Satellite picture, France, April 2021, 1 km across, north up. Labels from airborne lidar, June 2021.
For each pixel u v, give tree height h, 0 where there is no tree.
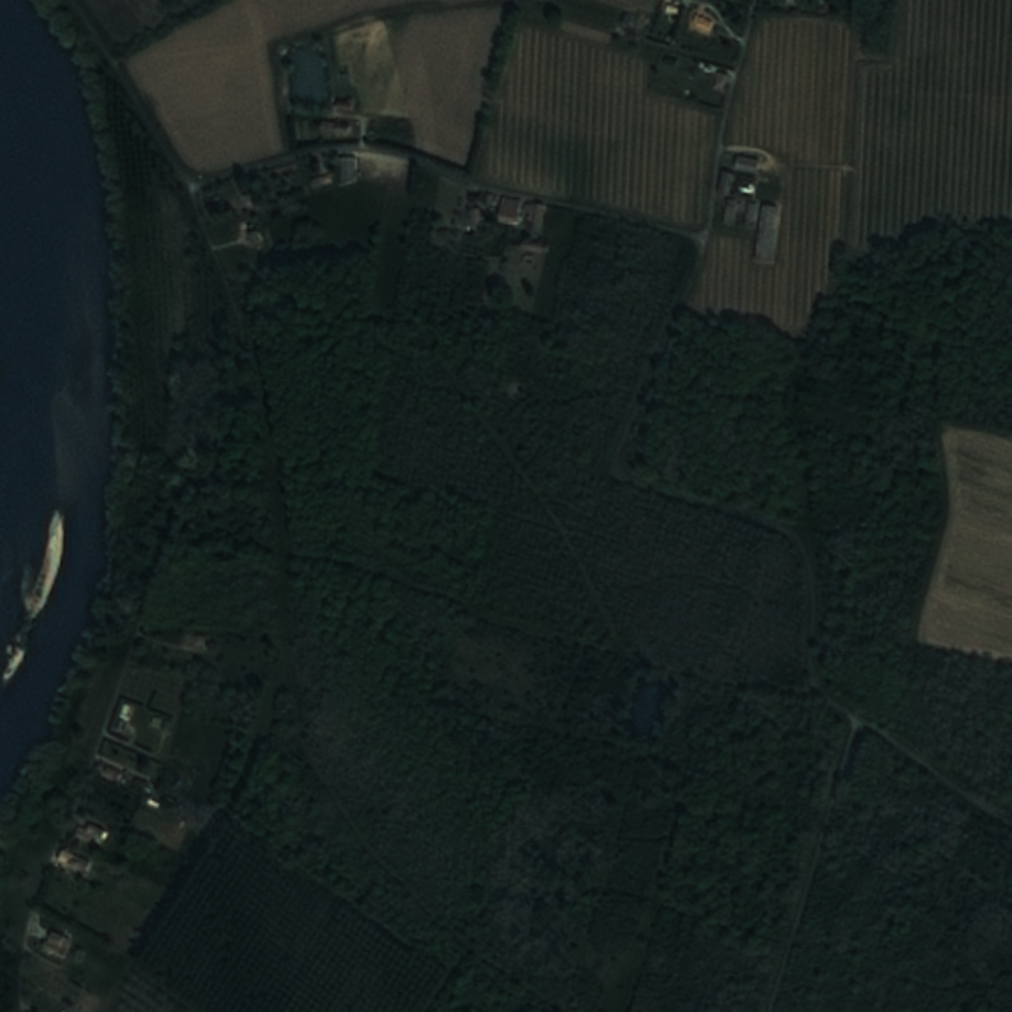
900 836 5
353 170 0
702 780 18
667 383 19
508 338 13
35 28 0
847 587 10
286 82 0
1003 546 0
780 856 8
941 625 0
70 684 15
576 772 5
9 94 0
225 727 8
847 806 11
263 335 17
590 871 22
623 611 9
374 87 0
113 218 15
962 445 0
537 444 7
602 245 7
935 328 15
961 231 12
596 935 7
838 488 9
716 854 9
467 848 12
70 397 0
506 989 8
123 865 11
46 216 0
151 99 0
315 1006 21
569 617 12
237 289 6
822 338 12
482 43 0
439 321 14
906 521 8
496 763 21
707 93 0
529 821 23
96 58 14
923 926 9
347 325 21
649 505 8
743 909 14
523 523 12
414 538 17
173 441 25
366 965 19
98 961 0
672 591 8
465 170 7
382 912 16
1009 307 18
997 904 16
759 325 16
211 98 0
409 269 8
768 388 14
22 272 0
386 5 0
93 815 9
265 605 13
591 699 6
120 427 15
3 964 19
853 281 16
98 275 0
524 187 0
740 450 18
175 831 0
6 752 0
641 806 7
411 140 0
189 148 0
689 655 11
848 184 0
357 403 20
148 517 6
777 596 6
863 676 15
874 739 15
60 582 0
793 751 6
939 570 0
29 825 15
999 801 19
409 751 12
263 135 0
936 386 11
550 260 0
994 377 14
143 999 14
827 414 6
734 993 6
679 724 6
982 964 7
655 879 7
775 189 0
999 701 15
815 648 11
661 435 22
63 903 0
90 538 0
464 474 8
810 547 0
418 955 19
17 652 6
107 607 33
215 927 27
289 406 23
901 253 19
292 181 8
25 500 0
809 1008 5
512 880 14
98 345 0
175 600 14
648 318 13
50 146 0
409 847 9
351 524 14
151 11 0
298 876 13
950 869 8
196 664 9
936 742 9
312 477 20
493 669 0
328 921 17
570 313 7
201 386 29
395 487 17
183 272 11
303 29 0
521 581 12
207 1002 24
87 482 0
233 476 11
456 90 0
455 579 9
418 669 18
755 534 17
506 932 17
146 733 0
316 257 15
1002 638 0
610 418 6
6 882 16
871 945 6
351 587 19
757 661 10
